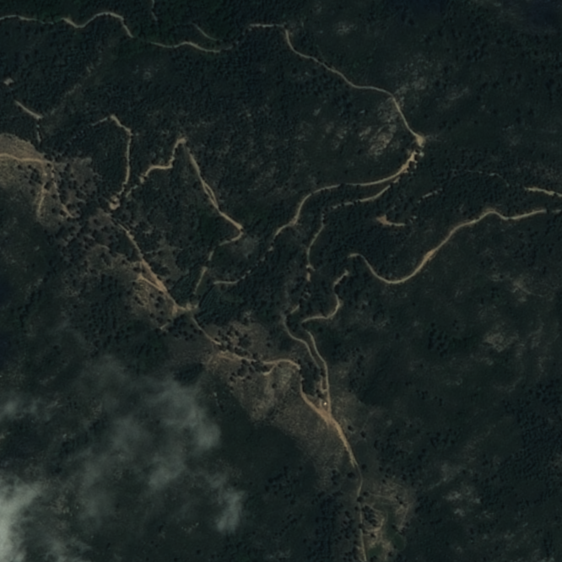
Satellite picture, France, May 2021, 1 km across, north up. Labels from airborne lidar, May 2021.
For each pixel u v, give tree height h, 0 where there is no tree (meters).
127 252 15
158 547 12
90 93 17
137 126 10
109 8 13
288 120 13
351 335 23
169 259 0
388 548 0
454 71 13
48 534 0
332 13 14
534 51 12
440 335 8
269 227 10
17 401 8
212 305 17
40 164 0
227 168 9
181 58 11
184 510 11
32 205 0
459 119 7
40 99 15
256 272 15
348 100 23
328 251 16
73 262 16
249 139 8
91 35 11
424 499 12
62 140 12
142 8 12
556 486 10
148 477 7
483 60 18
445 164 10
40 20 10
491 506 14
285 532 12
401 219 20
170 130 11
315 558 12
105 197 15
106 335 18
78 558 8
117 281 14
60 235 14
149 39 14
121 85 6
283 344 8
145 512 0
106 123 8
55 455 8
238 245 10
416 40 6
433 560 6
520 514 17
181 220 10
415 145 13
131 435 16
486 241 6
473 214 12
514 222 13
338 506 19
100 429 17
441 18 6
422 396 14
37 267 15
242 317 16
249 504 18
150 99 10
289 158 10
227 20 13
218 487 10
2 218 13
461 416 13
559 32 7
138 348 11
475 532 17
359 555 18
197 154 8
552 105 5
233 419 6
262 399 0
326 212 13
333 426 0
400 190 18
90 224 15
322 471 0
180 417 11
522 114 25
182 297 11
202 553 18
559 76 8
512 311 8
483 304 10
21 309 15
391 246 15
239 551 18
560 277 7
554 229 14
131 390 7
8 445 6
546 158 13
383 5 8
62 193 13
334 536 17
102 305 15
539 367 0
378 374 8
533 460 13
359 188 14
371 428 0
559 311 8
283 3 17
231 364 0
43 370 6
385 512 0
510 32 10
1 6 8
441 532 6
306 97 20
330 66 14
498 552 11
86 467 0
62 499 0
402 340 21
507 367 6
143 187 13
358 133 11
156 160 10
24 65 22
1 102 17
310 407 0
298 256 23
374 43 6
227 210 9
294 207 11
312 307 23
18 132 9
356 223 15
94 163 8
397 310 5
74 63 11
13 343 17
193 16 12
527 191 11
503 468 9
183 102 9
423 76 10
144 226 16
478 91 8
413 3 9
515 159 10
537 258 15
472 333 6
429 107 5
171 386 13
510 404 13
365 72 7
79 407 11
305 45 18
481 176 16
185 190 11
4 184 0
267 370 16
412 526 19
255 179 12
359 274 23
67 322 9
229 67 14
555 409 14
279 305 20
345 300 21
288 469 17
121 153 12
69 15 9
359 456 0
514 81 18
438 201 16
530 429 14
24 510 10
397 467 9
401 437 13
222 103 9
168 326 0
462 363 6
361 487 0
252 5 12
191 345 0
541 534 16
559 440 16
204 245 14
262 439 8
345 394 0
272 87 15
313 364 18
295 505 17
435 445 26
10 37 20
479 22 14
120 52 12
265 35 12
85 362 0
